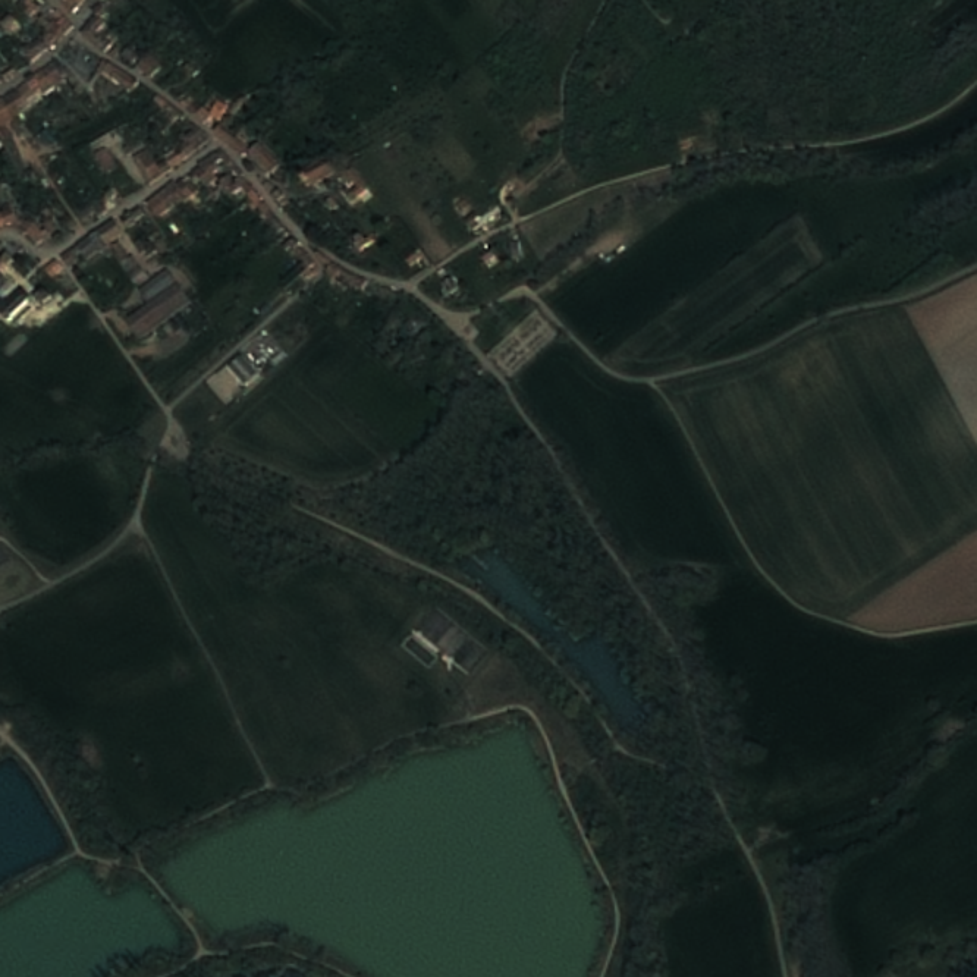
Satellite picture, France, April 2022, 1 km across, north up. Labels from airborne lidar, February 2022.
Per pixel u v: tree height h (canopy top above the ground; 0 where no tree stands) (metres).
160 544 0
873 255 0
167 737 0
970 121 0
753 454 0
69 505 0
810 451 0
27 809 0
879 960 0
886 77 8
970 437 0
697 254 0
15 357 0
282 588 0
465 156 0
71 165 0
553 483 27
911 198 0
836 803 0
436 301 0
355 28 0
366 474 0
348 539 0
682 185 10
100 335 0
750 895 0
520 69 6
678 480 0
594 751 9
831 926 12
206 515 12
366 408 0
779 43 16
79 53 0
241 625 0
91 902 0
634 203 0
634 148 6
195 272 0
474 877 0
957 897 0
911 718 0
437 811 0
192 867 0
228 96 0
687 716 25
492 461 22
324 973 12
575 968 0
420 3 0
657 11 10
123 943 0
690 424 0
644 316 0
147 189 0
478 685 0
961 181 0
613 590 24
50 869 9
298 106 21
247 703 0
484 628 10
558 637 0
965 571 0
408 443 0
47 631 0
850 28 16
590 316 0
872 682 0
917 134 0
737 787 18
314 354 0
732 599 0
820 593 0
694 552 0
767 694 0
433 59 0
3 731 0
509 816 0
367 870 0
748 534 0
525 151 0
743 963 0
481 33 0
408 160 0
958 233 0
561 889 0
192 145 0
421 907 0
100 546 0
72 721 0
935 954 19
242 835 0
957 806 0
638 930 17
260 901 0
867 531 0
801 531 0
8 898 12
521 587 0
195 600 0
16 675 0
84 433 0
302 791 11
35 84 0
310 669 0
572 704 17
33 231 0
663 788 8
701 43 10
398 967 0
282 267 0
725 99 7
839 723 0
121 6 0
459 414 24
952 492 0
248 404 0
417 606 0
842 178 16
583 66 12
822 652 0
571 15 0
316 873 0
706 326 0
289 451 0
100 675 0
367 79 0
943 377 0
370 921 0
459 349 9
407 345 13
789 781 0
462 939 0
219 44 0
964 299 0
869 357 0
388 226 17
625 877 0
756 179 16
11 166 9
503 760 0
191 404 0
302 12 0
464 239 0
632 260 0
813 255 0
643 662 28
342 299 0
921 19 7
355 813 0
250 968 8
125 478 0
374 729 0
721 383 0
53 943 0
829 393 0
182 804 0
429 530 24
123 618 0
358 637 0
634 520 0
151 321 0
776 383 0
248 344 0
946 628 0
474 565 0
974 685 0
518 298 0
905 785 20
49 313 0
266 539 10
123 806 0
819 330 0
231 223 0
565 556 27
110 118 0
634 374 0
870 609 0
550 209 0
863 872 0
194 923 0
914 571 0
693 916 0
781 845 0
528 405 8
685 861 6
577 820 0
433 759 0
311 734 0
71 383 0
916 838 0
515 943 0
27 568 0
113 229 0
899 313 0
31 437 0
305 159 10
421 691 12
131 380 0
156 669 0
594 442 0
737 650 0
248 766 0
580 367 0
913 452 0
